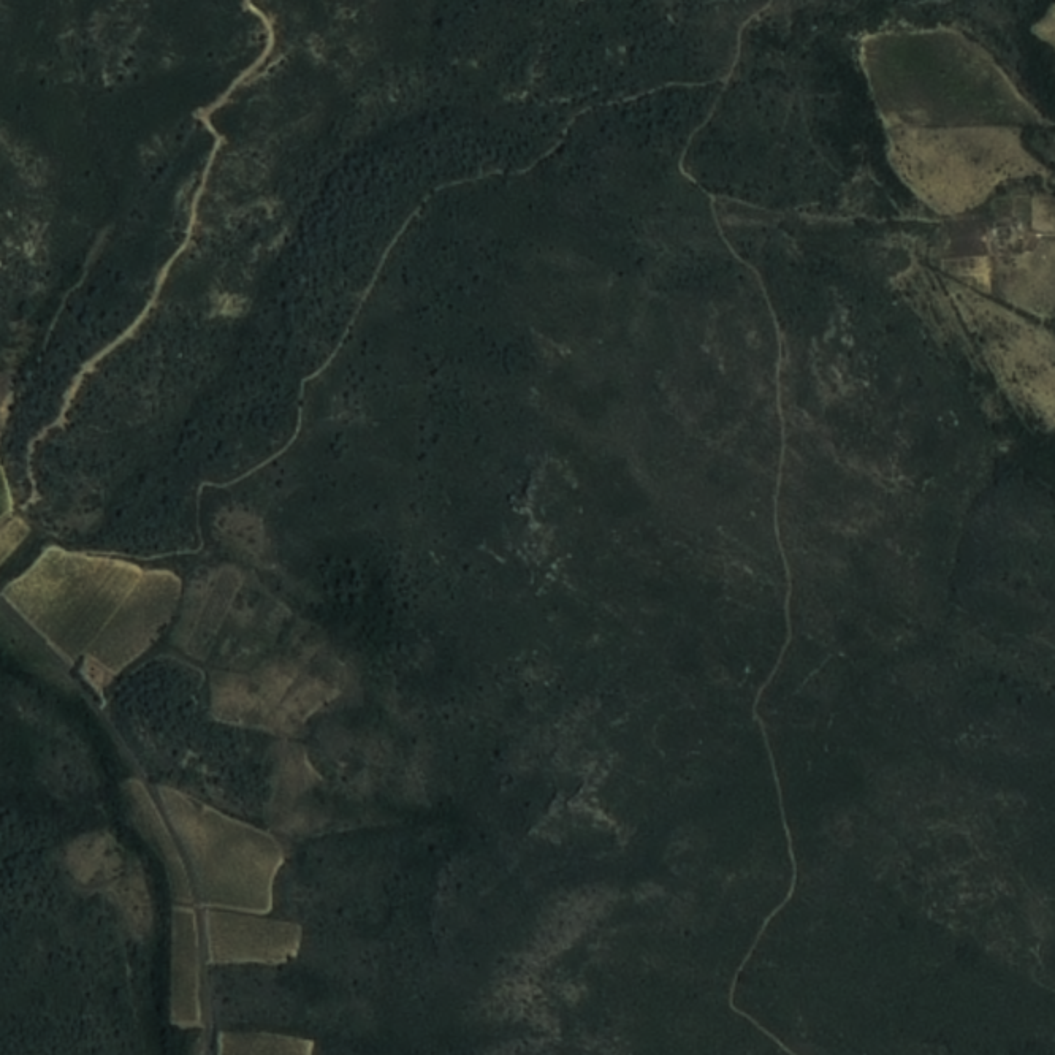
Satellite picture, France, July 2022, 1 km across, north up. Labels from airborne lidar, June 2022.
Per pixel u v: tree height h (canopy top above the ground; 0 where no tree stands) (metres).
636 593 0
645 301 0
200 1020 0
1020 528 0
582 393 0
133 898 0
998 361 0
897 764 0
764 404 0
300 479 0
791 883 0
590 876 0
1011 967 0
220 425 9
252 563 0
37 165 0
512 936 0
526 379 0
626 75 7
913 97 0
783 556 0
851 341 0
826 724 0
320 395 0
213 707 0
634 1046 0
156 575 0
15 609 0
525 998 0
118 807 10
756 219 0
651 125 8
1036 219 0
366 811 0
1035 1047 5
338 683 0
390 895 9
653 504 0
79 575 0
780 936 0
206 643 0
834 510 0
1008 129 0
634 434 0
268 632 0
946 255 0
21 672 12
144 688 14
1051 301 0
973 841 0
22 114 11
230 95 0
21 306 11
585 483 0
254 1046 0
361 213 6
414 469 0
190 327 10
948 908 0
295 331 8
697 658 0
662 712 0
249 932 0
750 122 0
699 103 6
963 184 0
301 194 11
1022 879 0
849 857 0
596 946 0
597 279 0
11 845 14
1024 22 6
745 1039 0
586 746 0
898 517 0
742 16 0
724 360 0
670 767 0
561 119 7
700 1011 0
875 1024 0
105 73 0
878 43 0
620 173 0
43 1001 8
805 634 0
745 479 0
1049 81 7
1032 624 0
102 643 0
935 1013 0
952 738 0
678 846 0
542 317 0
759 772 0
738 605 0
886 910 0
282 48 0
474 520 0
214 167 0
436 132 8
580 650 0
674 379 0
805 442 0
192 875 0
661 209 6
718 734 0
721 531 0
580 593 0
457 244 6
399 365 0
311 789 0
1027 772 0
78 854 0
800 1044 0
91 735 7
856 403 0
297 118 0
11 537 0
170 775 9
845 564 0
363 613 14
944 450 0
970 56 0
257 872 0
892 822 0
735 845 0
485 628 0
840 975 0
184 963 0
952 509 0
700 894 0
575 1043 0
